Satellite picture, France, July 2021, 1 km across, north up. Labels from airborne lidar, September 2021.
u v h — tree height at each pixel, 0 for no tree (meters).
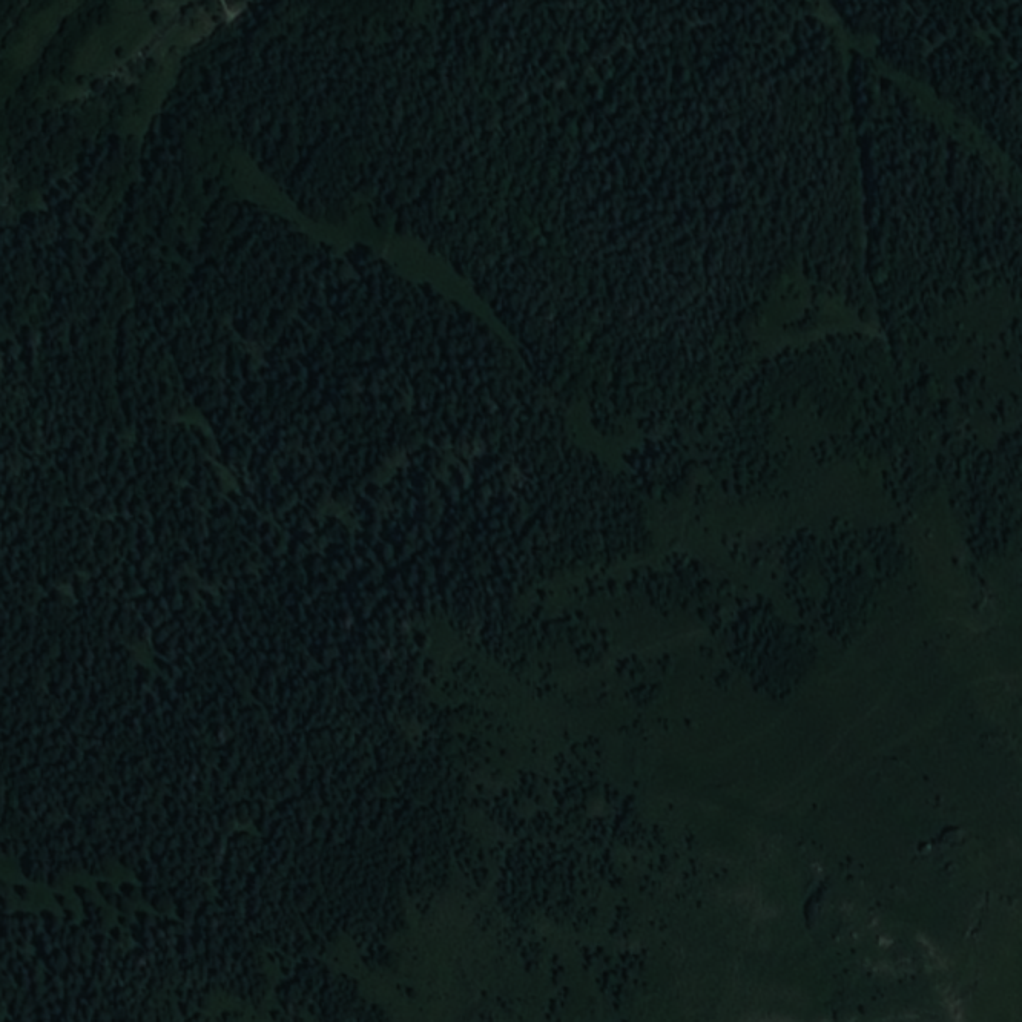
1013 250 26
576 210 24
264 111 21
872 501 0
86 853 31
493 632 18
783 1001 0
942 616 0
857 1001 0
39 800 36
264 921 24
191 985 13
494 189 15
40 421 16
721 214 21
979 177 26
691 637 0
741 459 10
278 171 15
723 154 19
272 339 23
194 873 16
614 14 10
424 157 25
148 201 23
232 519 33
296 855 20
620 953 0
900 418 14
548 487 21
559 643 11
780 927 0
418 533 30
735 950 0
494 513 26
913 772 0
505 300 22
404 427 26
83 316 20
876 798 0
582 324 21
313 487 29
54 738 18
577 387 18
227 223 11
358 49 8
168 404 23
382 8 18
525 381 30
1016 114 28
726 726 0
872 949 0
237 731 25
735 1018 0
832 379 13
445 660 0
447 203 17
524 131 14
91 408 26
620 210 28
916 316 16
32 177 14
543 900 8
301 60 20
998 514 9
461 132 18
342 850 17
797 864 0
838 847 0
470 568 33
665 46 12
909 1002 0
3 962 36
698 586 11
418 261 0
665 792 0
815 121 16
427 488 33
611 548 11
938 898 0
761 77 29
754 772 0
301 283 28
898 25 26
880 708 0
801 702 0
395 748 15
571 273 16
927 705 0
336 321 16
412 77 14
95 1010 30
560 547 20
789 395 9
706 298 11
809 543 11
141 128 0
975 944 0
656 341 15
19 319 21
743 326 23
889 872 0
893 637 0
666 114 26
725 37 21
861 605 7
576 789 11
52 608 30
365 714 12
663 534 0
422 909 9
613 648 7
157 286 32
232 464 31
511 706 0
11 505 22
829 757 0
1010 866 0
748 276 21
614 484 17
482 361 32
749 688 0
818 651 11
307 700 24
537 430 24
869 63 20
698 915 0
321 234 0
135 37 0
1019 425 0
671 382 16
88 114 6
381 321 24
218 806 12
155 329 15
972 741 13
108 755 19
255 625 31
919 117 17
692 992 0
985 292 9
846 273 21
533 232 18
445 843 16
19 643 31
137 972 16
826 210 22
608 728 0
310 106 18
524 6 24
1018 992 0
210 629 28
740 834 0
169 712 19
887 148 25
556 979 8
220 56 17
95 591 7
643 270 26
